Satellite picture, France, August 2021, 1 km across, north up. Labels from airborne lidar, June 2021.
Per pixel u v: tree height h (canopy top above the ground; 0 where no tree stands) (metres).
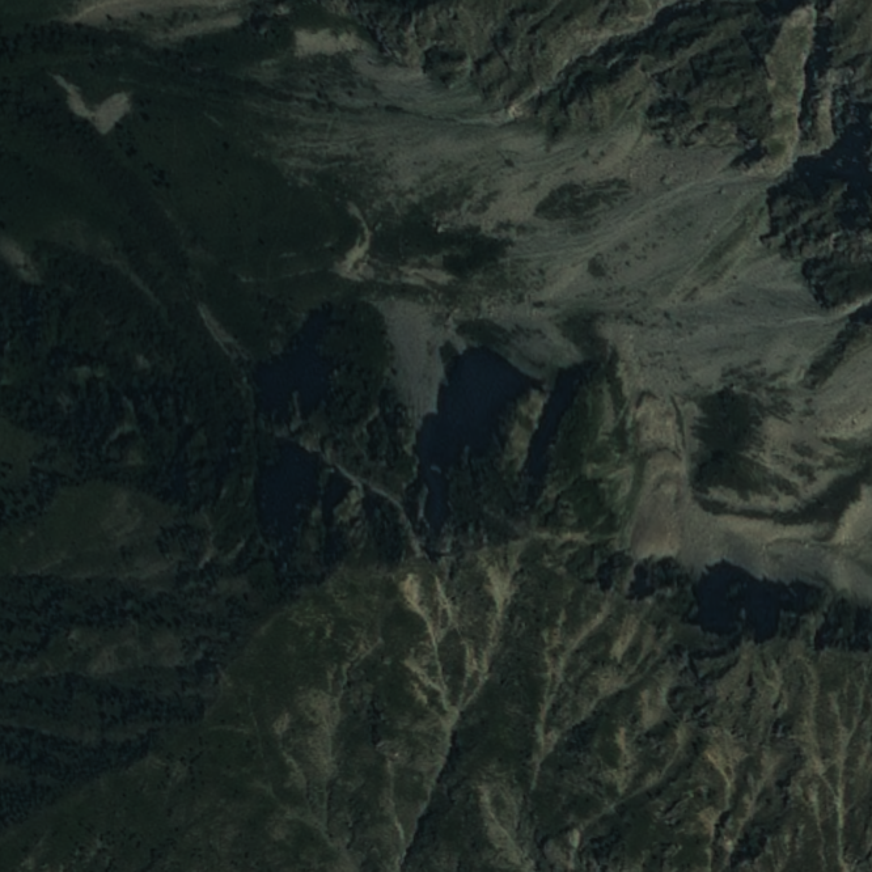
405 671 0
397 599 0
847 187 0
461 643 0
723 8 0
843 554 0
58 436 7
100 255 0
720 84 0
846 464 0
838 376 0
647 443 0
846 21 0
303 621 0
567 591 0
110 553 0
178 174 0
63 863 0
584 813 0
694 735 0
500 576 0
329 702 0
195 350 0
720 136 0
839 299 0
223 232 0
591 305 0
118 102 0
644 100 0
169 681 0
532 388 7
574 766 0
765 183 0
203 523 0
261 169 0
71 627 7
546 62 0
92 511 0
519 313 0
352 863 0
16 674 0
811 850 0
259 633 0
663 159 0
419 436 0
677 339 0
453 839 0
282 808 0
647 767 0
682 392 0
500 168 0
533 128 0
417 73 0
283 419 8
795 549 0
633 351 0
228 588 0
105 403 7
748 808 0
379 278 0
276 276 0
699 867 0
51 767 7
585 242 0
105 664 0
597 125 0
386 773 0
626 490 0
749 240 0
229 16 0
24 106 12
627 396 0
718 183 0
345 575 0
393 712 0
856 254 0
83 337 7
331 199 0
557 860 0
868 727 0
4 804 9
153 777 0
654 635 0
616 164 0
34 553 0
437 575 0
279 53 0
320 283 0
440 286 0
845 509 0
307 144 0
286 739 0
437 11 0
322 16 0
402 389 0
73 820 0
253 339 0
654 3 0
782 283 0
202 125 0
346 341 0
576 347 0
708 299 0
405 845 0
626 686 0
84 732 0
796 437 0
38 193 0
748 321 0
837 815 0
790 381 0
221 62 0
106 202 0
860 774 0
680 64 0
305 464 7
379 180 0
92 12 0
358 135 0
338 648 0
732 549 0
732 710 0
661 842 0
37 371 0
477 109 0
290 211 0
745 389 0
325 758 0
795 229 0
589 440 0
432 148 0
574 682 0
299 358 9
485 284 0
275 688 0
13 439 0
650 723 0
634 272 0
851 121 0
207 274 0
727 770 0
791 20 0
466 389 0
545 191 0
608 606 0
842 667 0
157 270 0
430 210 0
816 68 0
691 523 0
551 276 0
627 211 0
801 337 0
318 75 0
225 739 0
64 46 9
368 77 0
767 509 0
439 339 0
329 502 0
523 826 0
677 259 0
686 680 0
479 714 0
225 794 0
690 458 0
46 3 0
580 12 0
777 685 0
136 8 0
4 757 10
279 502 8
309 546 0
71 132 6
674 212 0
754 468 0
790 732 0
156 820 0
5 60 13
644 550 0
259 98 0
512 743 0
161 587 0
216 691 0
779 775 0
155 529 0
